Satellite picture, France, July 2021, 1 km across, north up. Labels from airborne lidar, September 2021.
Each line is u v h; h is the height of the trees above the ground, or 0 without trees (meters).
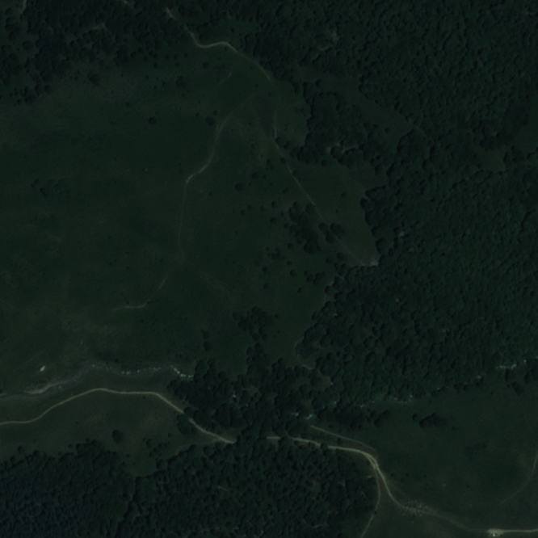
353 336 32
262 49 16
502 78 23
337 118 27
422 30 21
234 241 0
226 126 0
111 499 23
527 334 20
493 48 25
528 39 25
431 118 22
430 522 0
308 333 14
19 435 0
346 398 23
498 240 21
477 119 27
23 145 0
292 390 14
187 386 23
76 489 21
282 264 0
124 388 0
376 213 22
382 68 21
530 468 0
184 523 11
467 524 0
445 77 24
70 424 0
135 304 0
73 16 12
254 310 13
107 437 0
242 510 10
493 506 0
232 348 0
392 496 0
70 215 0
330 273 0
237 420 22
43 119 0
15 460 16
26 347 0
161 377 0
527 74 24
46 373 0
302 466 27
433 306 21
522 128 17
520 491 0
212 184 0
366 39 23
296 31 21
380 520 0
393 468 0
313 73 0
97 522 22
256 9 18
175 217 0
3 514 22
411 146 17
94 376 0
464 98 23
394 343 25
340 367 24
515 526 0
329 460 23
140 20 17
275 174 0
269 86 0
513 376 15
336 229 15
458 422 0
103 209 0
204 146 0
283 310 0
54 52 16
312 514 34
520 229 8
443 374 26
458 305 25
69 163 0
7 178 0
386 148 28
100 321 0
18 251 0
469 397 0
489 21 24
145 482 28
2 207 0
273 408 16
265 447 30
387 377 20
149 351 0
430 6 24
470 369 27
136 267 0
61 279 0
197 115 7
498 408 0
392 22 25
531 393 0
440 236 26
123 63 8
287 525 29
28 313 0
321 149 24
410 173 32
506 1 25
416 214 27
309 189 0
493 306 27
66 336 0
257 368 17
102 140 0
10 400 0
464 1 16
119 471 23
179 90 0
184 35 9
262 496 7
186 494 14
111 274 0
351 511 22
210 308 0
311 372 9
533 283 30
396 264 27
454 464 0
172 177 0
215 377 10
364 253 0
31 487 24
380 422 18
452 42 30
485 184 20
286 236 0
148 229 0
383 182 0
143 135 0
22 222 0
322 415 22
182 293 0
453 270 21
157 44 13
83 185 0
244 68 0
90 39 9
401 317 27
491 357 13
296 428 22
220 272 0
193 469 29
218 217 0
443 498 0
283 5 14
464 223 22
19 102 11
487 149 9
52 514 14
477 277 22
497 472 0
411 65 26
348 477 26
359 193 0
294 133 0
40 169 0
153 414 0
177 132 0
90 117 0
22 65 9
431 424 14
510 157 18
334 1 24
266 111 0
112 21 14
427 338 28
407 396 19
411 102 24
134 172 0
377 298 29
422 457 0
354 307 19
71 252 0
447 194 29
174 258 0
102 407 0
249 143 0
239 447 24
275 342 0
